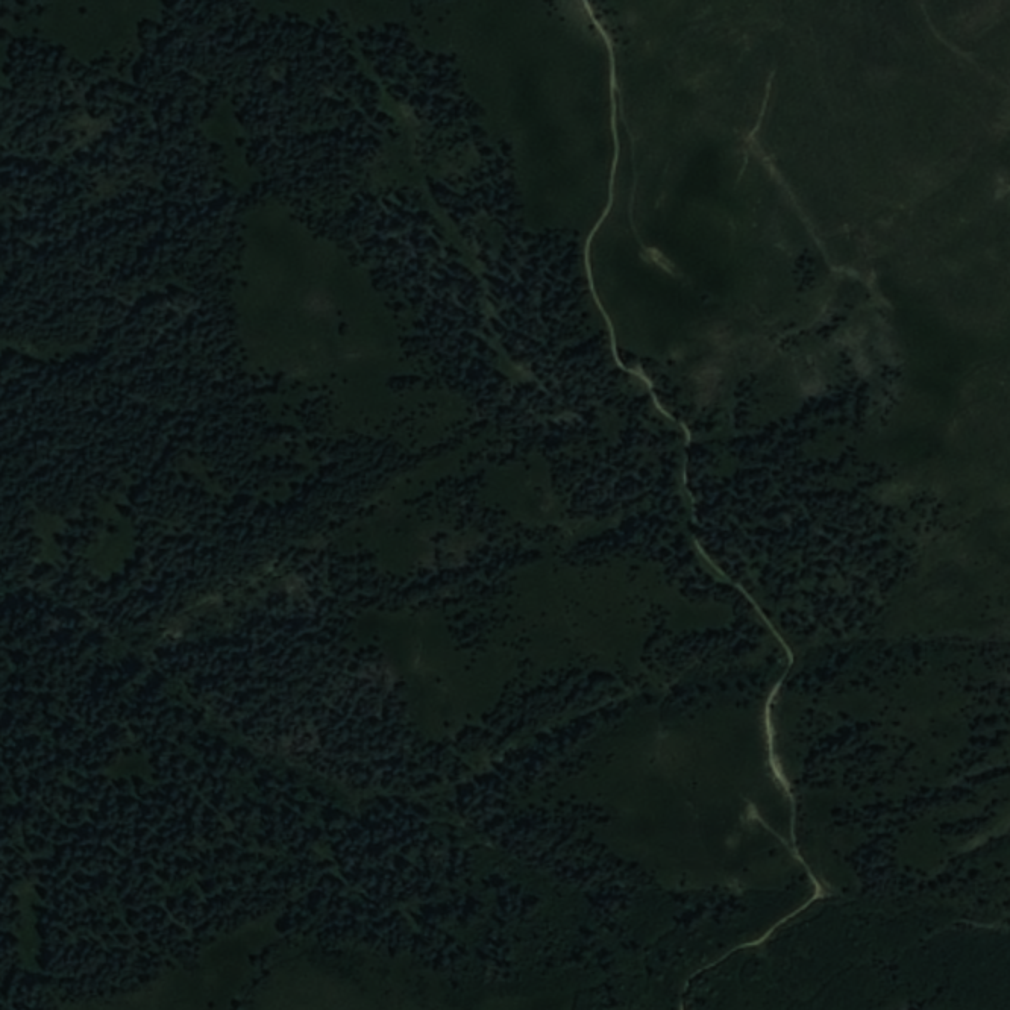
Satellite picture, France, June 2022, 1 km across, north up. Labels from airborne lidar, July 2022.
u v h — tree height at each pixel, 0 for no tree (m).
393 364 0
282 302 0
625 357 17
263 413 13
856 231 0
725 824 0
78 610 10
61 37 0
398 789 18
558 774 6
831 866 0
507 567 16
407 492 0
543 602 0
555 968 13
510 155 18
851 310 5
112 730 6
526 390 23
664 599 0
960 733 0
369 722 23
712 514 26
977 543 0
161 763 22
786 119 0
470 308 22
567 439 14
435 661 0
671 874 0
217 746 6
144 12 0
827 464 15
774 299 0
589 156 0
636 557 6
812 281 9
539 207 0
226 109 0
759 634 18
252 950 0
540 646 0
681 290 0
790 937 6
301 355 0
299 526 13
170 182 15
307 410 13
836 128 0
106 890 29
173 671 11
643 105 0
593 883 24
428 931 24
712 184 0
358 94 12
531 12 0
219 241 23
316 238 9
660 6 0
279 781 9
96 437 23
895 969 9
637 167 0
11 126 23
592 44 0
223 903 26
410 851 27
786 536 22
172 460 19
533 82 0
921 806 18
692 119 0
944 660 0
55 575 27
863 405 7
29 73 20
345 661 13
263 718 21
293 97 25
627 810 0
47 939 25
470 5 0
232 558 28
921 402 0
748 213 0
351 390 0
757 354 0
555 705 24
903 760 7
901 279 0
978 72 0
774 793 0
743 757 0
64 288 24
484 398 15
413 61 13
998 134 0
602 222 0
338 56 18
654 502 8
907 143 0
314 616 6
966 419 0
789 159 0
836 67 0
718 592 24
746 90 0
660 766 0
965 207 0
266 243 0
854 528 15
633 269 0
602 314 0
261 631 18
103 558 0
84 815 29
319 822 6
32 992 26
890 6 0
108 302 22
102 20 0
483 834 9
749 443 9
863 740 13
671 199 0
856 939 7
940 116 0
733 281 0
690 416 13
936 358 0
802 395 0
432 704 0
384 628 0
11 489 30
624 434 10
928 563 0
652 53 0
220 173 9
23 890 0
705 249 0
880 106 0
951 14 0
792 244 0
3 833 20
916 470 0
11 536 21
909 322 0
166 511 25
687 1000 9
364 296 0
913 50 0
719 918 10
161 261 16
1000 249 0
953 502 0
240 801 27
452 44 0
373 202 25
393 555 0
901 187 0
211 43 21
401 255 27
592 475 7
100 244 25
